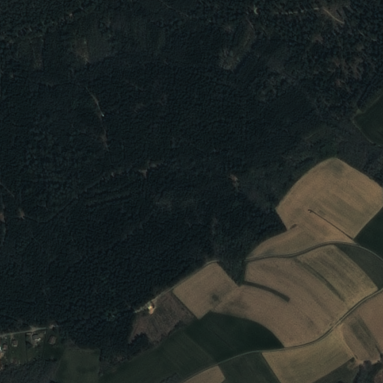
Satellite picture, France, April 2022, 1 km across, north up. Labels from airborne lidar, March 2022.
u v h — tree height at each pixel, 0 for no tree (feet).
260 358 0
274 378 0
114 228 62
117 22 61
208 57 76
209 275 0
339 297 0
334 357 0
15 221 49
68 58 65
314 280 0
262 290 0
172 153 47
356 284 0
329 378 0
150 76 62
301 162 58
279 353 0
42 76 60
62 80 55
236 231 69
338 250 0
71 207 54
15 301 61
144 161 71
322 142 49
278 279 0
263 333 0
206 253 68
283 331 0
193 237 56
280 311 0
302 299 0
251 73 87
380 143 0
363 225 0
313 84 31
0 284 77
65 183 111
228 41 95
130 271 66
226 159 54
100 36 31
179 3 50
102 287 86
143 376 0
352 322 0
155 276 84
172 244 73
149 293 96
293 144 55
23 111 58
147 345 51
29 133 55
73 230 71
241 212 85
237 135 72
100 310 103
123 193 49
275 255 0
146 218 66
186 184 64
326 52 69
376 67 86
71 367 0
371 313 0
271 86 100
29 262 53
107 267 81
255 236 48
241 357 0
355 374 0
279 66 85
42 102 53
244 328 0
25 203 61
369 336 0
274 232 79
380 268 0
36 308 78
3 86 39
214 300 0
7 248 55
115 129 72
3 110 63
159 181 65
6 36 111
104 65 55
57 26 105
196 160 50
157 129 77
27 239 71
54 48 64
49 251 63
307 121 92
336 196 0
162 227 67
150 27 79
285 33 102
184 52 102
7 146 58
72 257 72
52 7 73
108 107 71
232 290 0
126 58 64
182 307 0
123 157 55
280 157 59
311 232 0
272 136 65
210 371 0
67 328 94
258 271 0
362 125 0
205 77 79
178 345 0
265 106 67
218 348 0
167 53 101
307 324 0
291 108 70
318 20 19
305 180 0
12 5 56
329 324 0
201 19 37
